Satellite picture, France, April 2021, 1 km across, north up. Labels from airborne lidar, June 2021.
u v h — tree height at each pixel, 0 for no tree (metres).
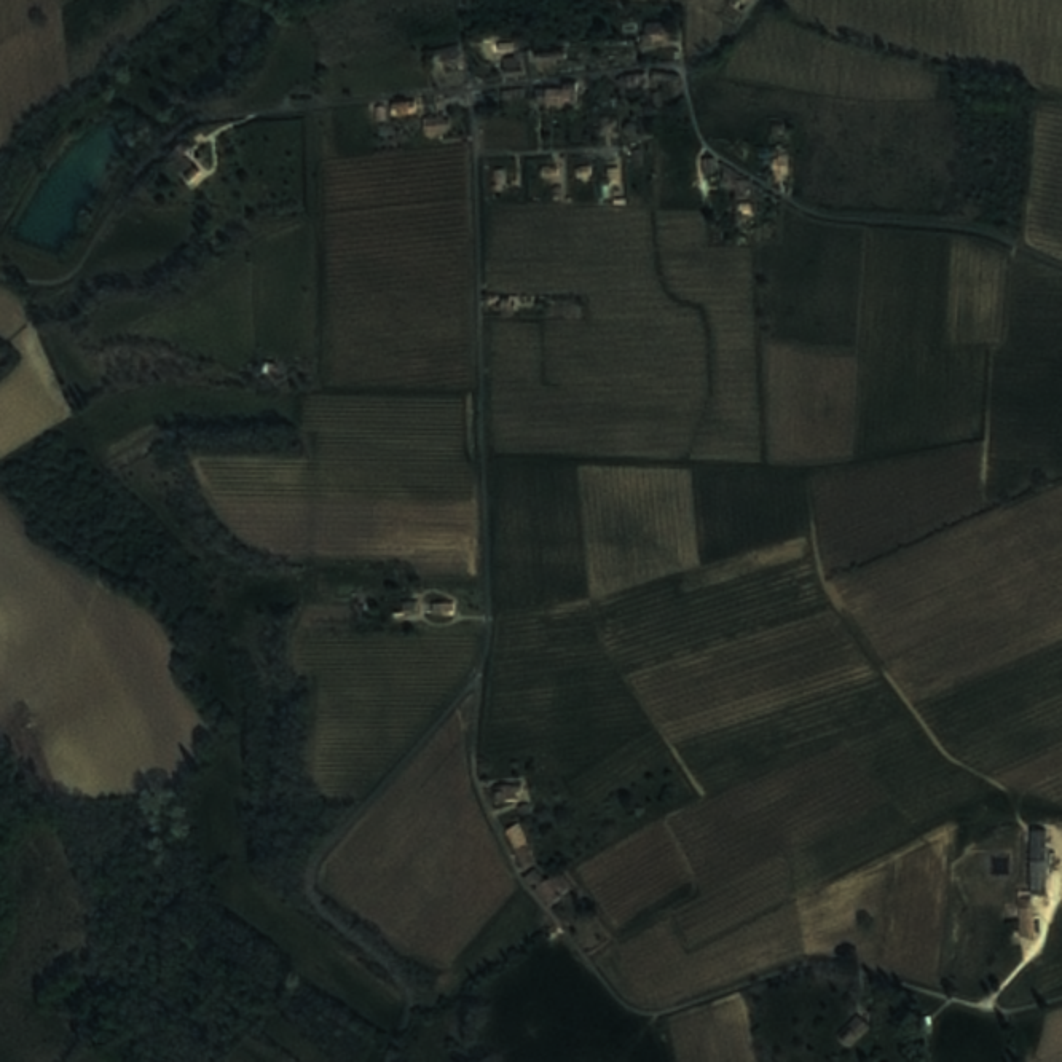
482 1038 12
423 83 0
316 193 0
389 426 0
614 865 0
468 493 0
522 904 0
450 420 0
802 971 10
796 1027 10
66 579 0
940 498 0
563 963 0
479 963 0
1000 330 0
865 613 0
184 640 17
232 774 0
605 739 0
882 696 0
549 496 0
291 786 21
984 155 7
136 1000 29
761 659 0
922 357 0
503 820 0
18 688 0
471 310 0
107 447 0
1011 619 0
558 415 0
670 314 0
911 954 0
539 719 0
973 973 0
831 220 0
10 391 0
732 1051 0
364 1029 16
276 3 33
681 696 0
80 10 0
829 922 0
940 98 0
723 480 0
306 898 18
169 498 6
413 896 0
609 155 0
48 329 19
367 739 0
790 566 0
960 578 0
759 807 0
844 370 0
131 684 0
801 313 0
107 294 16
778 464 0
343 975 0
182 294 15
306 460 0
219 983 14
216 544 16
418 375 0
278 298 0
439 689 0
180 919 22
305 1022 16
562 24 7
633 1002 0
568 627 0
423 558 0
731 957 0
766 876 0
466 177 0
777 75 0
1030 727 0
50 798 18
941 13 0
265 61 13
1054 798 0
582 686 0
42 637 0
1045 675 0
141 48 11
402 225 0
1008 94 18
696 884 0
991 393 0
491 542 0
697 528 0
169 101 10
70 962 15
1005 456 0
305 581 0
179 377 17
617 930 0
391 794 0
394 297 0
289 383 13
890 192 0
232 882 0
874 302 0
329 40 0
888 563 0
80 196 0
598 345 0
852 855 0
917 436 0
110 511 9
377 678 0
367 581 0
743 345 0
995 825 0
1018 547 0
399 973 20
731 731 0
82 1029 14
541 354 0
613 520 0
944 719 0
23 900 6
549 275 0
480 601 0
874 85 0
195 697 18
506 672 0
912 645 0
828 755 0
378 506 0
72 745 0
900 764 0
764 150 6
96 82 13
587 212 0
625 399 0
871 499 0
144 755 0
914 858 0
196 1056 23
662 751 0
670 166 0
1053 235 0
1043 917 0
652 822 0
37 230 0
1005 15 0
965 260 0
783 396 0
